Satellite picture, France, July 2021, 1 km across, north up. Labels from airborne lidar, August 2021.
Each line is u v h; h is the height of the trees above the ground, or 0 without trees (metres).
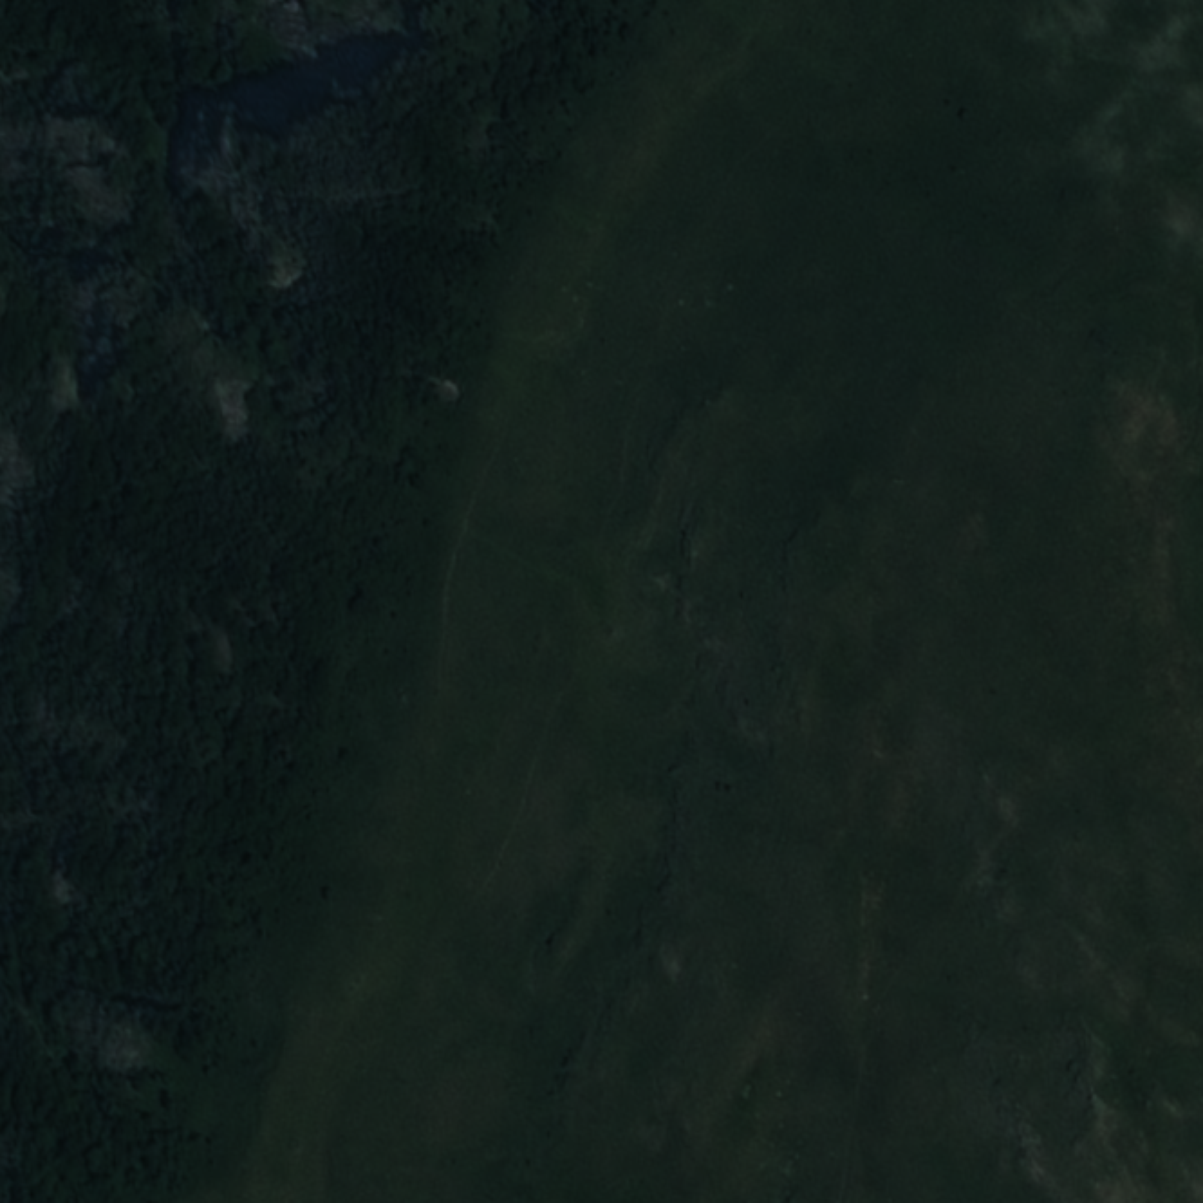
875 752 0
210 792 11
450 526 0
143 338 14
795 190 0
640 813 0
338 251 13
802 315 0
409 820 0
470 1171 0
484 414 0
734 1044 0
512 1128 0
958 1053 0
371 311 12
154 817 11
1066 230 0
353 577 6
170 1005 10
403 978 0
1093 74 0
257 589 11
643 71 0
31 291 10
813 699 0
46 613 12
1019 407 0
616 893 0
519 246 0
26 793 10
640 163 0
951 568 0
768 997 0
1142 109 0
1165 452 0
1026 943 0
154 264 11
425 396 9
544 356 0
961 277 0
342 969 0
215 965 6
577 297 0
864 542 0
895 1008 0
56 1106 18
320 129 10
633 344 0
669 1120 0
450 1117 0
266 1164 0
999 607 0
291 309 10
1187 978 0
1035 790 0
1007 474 0
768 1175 0
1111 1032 0
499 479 0
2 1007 11
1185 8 0
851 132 0
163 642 14
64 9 16
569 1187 0
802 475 0
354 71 0
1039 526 0
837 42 0
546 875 0
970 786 0
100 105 8
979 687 0
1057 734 0
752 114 0
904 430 0
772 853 0
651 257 0
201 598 12
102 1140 15
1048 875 0
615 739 0
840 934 0
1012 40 0
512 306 0
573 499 0
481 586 0
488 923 0
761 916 0
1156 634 0
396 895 0
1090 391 0
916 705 0
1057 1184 0
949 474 0
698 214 0
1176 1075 0
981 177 0
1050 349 0
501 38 7
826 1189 0
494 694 0
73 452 18
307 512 7
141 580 10
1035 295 0
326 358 16
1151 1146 0
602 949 0
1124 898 0
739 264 0
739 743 0
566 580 0
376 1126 0
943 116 0
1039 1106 0
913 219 0
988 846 0
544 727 0
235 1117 0
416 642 0
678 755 0
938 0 0
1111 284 0
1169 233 0
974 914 0
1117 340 0
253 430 6
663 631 0
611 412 0
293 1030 0
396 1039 0
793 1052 0
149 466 16
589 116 0
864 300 0
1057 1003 0
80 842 17
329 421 7
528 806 0
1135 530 0
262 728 8
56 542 22
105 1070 6
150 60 12
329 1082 0
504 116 11
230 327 10
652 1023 0
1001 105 0
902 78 0
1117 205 0
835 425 0
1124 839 0
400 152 16
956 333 0
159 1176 10
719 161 0
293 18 0
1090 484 0
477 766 0
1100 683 0
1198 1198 0
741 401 0
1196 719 0
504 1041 0
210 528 13
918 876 0
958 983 0
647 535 0
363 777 0
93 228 10
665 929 0
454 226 12
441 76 8
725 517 0
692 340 0
